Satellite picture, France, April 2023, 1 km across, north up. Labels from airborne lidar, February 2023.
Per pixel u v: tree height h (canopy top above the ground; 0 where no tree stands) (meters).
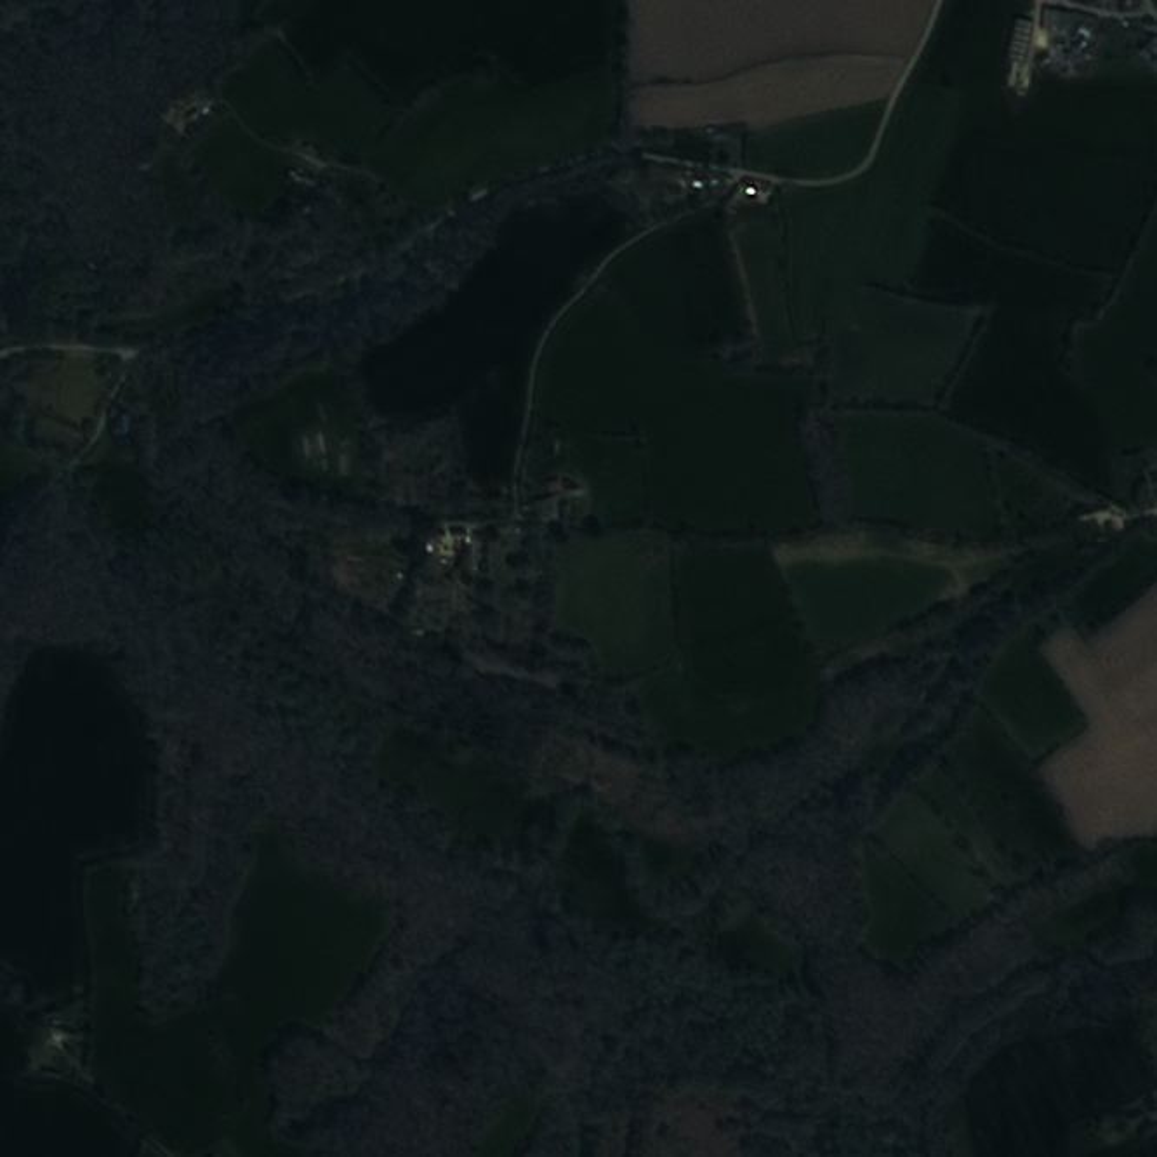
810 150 0
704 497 0
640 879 10
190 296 14
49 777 0
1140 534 10
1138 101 0
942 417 9
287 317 22
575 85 0
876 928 0
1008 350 0
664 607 0
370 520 18
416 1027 20
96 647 14
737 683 0
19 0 16
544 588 10
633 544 0
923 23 0
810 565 0
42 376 0
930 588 0
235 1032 0
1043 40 0
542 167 0
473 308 0
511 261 0
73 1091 0
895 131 0
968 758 0
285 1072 22
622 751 13
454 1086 20
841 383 0
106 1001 0
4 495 0
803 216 0
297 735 17
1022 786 0
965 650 25
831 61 0
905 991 16
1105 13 0
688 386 0
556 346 0
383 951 10
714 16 0
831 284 0
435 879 19
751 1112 15
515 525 9
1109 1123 9
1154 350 0
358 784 21
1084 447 0
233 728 23
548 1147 23
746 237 0
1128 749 0
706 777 19
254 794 19
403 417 0
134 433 16
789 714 0
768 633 0
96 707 0
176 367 6
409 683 23
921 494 0
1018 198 0
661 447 0
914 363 0
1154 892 0
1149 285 0
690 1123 0
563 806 20
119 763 0
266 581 23
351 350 21
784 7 0
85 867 6
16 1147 0
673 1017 17
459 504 12
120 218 22
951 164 0
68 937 0
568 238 0
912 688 22
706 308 0
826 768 18
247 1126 0
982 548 12
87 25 9
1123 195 0
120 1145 0
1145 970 19
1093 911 0
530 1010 18
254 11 0
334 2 0
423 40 0
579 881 0
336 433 0
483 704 25
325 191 6
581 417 0
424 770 0
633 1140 10
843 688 17
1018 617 11
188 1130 0
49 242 17
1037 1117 0
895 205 0
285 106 0
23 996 20
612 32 0
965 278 0
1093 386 0
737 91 0
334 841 18
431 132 0
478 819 0
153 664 25
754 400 0
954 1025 33
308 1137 22
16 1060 0
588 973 20
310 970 0
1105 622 12
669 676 0
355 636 17
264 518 16
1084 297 0
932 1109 19
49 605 20
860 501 0
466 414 0
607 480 0
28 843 0
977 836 0
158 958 10
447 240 12
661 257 0
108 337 10
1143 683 0
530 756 18
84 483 7
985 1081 0
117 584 26
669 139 9
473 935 19
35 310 36
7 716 0
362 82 0
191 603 16
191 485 18
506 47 0
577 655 11
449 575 11
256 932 0
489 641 14
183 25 18
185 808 15
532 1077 21
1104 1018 11
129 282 18
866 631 0
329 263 10
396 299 17
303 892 0
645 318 0
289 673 10
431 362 0
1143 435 0
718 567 0
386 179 0
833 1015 20
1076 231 0
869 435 0
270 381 18
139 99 18
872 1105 7
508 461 0
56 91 23
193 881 18
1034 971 18
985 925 16
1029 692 0
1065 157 0
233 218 12
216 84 18
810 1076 11
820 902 22
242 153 0
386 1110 19
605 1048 26
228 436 21
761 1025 21
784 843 25
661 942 7
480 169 0
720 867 23
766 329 0
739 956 0
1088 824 0
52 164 21
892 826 0
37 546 22
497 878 20
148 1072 0
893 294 7
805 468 10
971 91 0
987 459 8
